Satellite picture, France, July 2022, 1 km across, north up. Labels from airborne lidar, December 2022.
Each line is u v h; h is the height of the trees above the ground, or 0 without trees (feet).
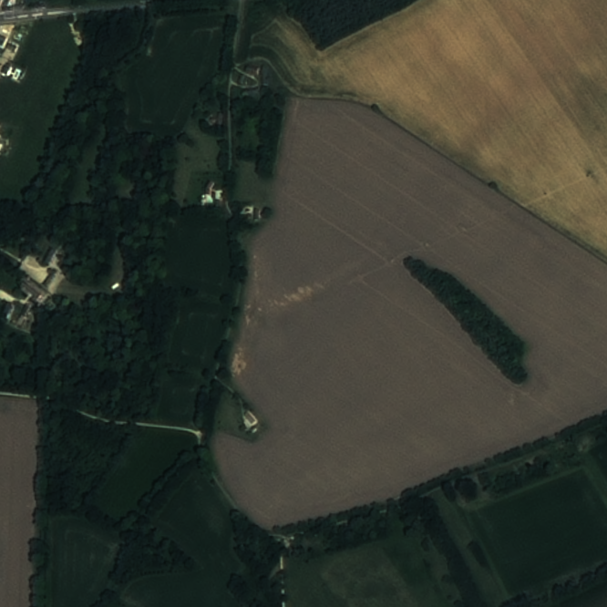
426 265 32
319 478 0
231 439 0
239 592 60
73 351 56
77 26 39
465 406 0
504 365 31
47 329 95
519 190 0
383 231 0
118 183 96
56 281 0
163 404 0
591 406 0
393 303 0
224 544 0
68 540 0
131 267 57
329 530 71
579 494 0
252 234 0
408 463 0
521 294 0
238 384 0
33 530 0
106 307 99
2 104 0
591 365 0
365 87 0
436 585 0
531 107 0
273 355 0
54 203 114
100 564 0
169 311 103
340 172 0
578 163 0
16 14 0
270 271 0
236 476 0
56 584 0
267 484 0
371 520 64
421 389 0
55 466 50
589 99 0
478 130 0
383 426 0
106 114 89
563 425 0
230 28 68
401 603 0
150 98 0
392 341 0
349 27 38
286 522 0
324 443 0
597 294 0
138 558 88
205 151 0
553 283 0
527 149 0
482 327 60
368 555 0
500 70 0
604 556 0
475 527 0
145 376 19
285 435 0
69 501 84
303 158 0
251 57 0
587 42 0
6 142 0
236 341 0
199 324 0
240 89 18
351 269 0
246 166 0
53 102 0
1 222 114
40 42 0
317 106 0
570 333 0
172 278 0
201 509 0
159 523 0
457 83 0
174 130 0
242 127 27
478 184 0
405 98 0
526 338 0
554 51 0
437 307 0
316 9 57
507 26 0
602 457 0
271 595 28
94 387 102
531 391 0
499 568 0
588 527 0
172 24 0
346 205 0
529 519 0
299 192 0
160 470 0
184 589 0
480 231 0
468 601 30
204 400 69
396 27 0
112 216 77
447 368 0
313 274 0
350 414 0
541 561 0
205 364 0
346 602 0
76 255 73
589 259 0
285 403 0
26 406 0
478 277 0
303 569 0
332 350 0
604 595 0
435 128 0
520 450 40
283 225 0
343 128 0
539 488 0
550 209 0
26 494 0
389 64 0
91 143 59
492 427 0
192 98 0
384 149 0
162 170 67
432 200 0
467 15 0
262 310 0
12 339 42
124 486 0
